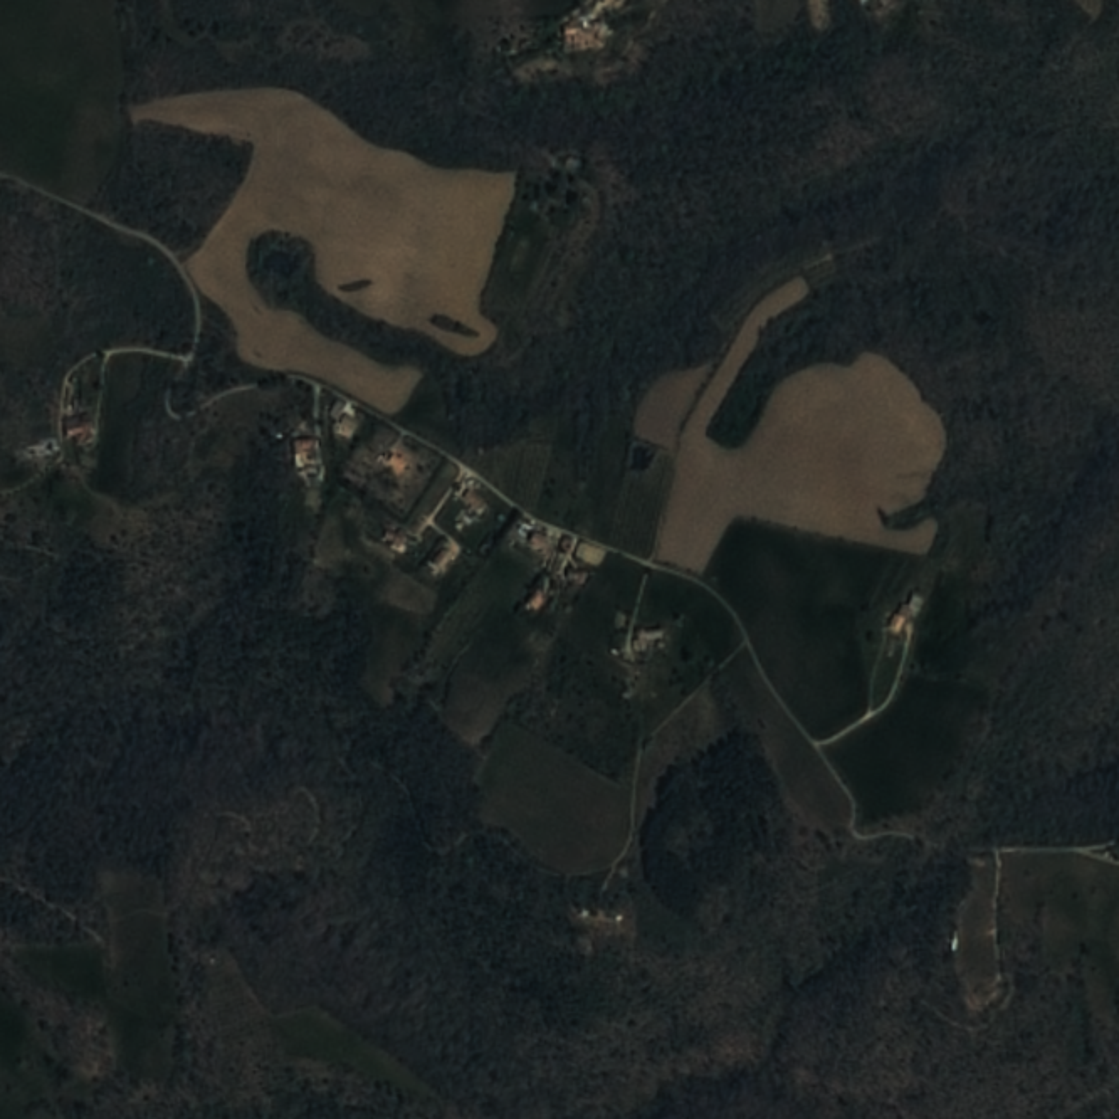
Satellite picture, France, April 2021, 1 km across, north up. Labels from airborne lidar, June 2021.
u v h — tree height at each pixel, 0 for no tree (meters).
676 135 13
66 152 0
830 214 21
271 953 16
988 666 0
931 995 9
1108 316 9
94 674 7
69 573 9
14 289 8
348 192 0
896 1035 8
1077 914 0
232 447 0
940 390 12
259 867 22
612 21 13
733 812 16
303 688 13
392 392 0
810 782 0
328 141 0
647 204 10
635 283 17
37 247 9
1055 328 8
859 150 11
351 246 0
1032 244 13
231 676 18
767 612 0
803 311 8
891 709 0
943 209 10
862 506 0
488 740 6
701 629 0
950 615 0
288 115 0
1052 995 6
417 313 0
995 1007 9
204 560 12
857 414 0
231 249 0
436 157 8
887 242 16
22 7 0
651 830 12
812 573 0
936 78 7
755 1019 18
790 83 13
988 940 0
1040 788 16
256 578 10
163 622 6
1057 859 0
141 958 0
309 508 0
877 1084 11
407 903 11
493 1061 11
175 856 12
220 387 8
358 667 9
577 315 18
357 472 6
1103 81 8
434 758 12
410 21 0
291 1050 0
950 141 11
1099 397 11
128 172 6
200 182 8
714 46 17
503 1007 9
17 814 16
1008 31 8
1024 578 14
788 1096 28
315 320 15
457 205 0
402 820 8
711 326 11
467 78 15
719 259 20
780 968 12
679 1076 25
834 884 9
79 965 0
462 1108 9
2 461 0
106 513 0
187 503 8
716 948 7
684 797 13
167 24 0
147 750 17
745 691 0
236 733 15
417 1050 18
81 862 12
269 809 14
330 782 10
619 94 18
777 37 9
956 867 11
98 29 0
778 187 12
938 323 21
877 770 0
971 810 11
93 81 0
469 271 0
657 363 15
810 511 0
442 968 18
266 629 6
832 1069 13
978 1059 7
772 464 0
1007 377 9
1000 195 8
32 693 8
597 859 0
